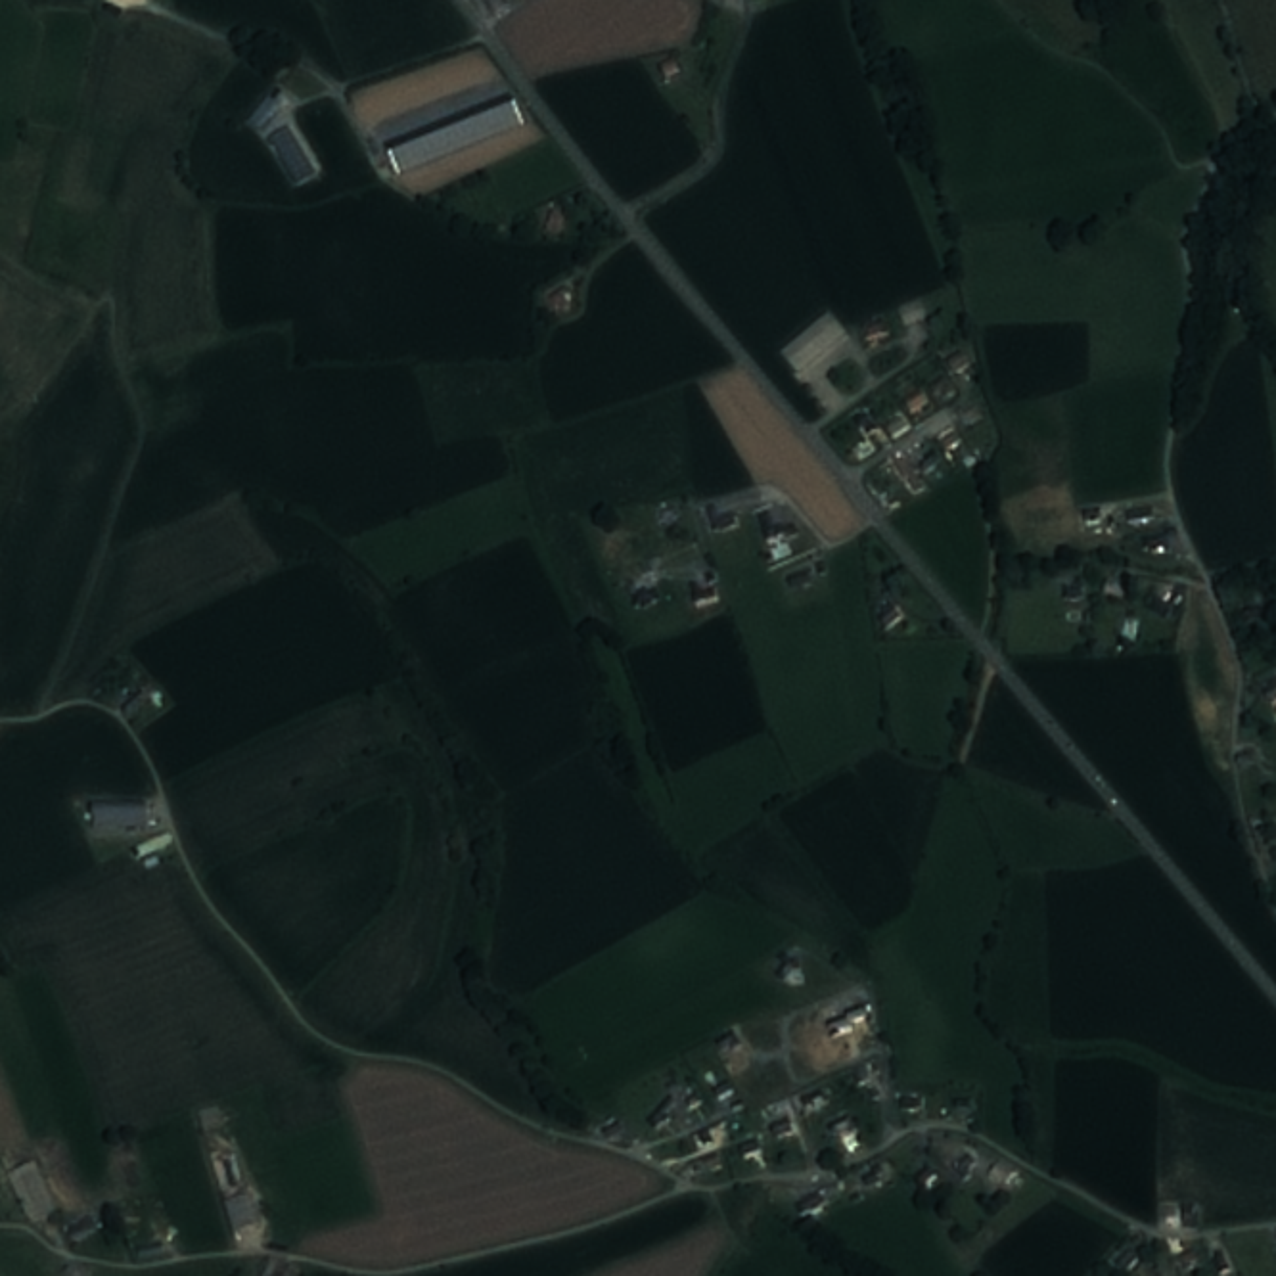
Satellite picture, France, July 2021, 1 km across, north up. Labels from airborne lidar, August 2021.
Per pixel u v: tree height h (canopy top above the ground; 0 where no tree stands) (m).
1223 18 0
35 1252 0
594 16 0
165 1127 0
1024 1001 0
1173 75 0
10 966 9
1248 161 28
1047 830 0
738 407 0
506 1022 16
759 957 0
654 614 0
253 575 8
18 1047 0
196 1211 0
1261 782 0
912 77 20
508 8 0
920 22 0
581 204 15
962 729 14
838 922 0
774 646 0
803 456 0
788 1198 0
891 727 13
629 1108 0
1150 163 0
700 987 0
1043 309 0
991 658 0
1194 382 17
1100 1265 9
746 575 0
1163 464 0
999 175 0
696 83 0
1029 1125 19
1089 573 6
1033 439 0
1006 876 11
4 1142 0
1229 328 7
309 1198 0
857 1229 0
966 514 0
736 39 0
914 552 0
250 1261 0
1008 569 13
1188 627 0
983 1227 6
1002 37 0
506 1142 0
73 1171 0
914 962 0
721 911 0
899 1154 0
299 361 9
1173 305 0
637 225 0
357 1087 0
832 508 0
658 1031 0
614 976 0
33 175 0
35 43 0
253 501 9
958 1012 0
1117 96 0
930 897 0
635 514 0
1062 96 0
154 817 0
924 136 15
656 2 0
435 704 12
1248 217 23
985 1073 0
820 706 0
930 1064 0
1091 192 0
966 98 0
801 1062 0
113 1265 0
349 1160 0
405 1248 0
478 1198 0
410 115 0
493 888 13
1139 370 0
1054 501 0
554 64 0
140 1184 0
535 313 8
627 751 21
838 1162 17
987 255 0
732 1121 0
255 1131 0
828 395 0
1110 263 0
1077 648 7
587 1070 0
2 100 0
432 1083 0
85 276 0
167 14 0
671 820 0
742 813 0
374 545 0
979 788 0
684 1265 0
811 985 0
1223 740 0
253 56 18
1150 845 0
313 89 0
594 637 13
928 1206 14
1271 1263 0
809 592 0
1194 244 18
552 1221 0
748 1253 0
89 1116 0
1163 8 12
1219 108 0
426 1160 0
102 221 0
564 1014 0
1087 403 0
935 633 6
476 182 9
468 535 0
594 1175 0
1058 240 19
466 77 0
